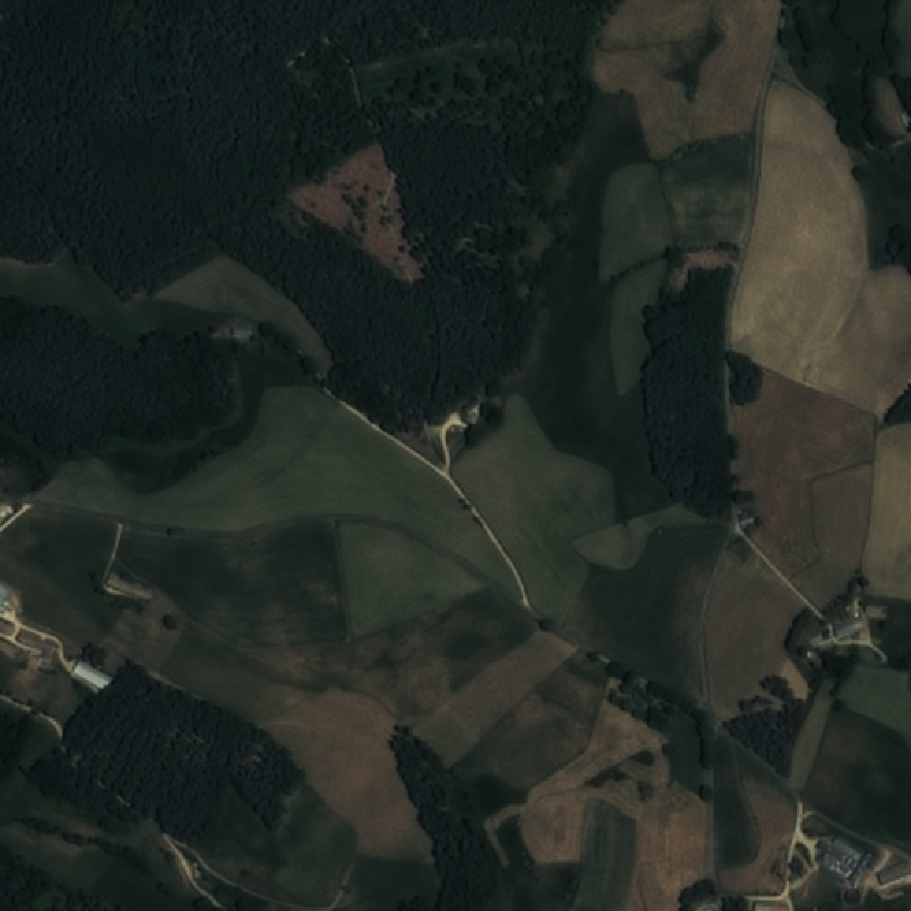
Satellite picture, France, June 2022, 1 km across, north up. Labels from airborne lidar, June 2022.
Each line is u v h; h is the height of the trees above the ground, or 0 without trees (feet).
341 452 0
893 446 0
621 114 0
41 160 72
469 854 54
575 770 0
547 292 0
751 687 0
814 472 0
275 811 78
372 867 0
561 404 0
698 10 0
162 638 0
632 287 0
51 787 68
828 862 0
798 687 0
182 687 0
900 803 0
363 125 56
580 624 0
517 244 45
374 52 44
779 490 0
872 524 0
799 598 0
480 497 0
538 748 0
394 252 0
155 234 68
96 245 59
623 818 0
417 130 74
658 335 58
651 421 55
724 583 0
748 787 0
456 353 56
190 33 53
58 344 60
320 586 0
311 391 0
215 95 57
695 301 51
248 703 0
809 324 0
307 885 0
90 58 68
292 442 0
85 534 0
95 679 0
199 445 0
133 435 61
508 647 0
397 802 0
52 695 0
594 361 0
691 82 0
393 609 0
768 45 0
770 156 0
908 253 79
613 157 0
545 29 71
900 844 0
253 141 49
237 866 0
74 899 35
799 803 0
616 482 0
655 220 0
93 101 58
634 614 0
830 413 0
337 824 0
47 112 68
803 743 0
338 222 0
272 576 0
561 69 48
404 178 45
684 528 0
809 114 0
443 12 50
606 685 0
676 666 0
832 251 0
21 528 0
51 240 66
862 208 0
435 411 63
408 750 73
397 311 52
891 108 0
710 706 0
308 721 0
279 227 39
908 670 52
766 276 0
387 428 48
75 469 0
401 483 0
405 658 0
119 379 69
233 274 0
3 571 0
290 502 0
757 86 0
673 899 0
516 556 0
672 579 0
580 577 0
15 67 77
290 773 83
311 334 0
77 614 0
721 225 0
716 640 0
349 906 0
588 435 0
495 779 0
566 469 0
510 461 0
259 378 0
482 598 0
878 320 0
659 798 0
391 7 51
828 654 40
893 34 50
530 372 0
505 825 0
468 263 52
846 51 0
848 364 0
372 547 0
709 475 71
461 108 44
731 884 0
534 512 0
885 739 0
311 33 57
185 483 0
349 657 0
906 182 0
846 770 0
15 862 48
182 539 0
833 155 0
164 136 79
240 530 0
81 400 69
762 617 0
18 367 65
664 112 0
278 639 0
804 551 0
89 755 66
